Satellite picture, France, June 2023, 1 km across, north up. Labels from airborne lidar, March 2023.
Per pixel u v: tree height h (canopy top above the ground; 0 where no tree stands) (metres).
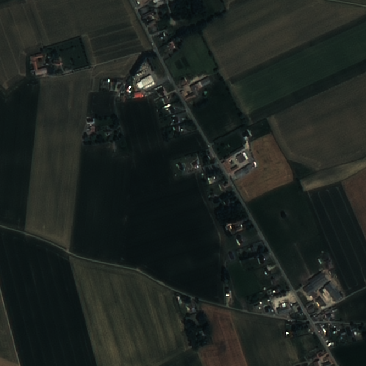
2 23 0
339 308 0
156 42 0
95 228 0
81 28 0
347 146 0
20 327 0
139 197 0
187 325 21
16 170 0
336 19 0
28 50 0
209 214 0
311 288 0
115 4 0
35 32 0
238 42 0
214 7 0
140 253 0
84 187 0
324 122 0
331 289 0
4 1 0
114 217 0
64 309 0
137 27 0
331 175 0
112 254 0
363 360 0
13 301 0
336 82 0
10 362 0
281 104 0
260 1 0
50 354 0
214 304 0
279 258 0
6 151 0
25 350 0
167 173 0
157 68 0
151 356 0
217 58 0
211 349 0
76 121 0
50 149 0
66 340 0
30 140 0
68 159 0
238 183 0
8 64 0
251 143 0
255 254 14
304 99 0
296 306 0
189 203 0
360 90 0
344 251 0
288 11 0
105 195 0
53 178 0
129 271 0
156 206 0
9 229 0
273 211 0
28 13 0
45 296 0
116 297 0
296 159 0
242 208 15
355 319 0
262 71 0
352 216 0
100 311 0
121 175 0
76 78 0
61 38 0
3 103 0
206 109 0
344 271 0
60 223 0
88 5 0
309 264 0
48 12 0
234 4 0
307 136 0
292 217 0
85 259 0
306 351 0
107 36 0
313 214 0
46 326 0
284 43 0
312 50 0
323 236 0
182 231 0
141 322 0
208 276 0
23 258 0
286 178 0
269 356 0
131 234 0
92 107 0
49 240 0
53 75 0
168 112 0
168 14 5
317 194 0
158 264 0
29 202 0
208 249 0
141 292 0
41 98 0
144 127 0
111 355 0
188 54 0
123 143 0
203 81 0
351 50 0
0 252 0
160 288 0
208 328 21
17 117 0
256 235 0
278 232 0
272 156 0
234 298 0
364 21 0
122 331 0
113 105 0
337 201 0
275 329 0
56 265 0
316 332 0
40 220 0
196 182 0
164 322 0
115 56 0
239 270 0
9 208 0
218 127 0
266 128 0
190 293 0
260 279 0
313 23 0
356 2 0
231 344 0
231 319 0
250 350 0
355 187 0
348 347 0
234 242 0
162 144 0
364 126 0
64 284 0
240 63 0
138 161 0
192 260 0
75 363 0
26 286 0
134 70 16
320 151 0
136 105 0
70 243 0
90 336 0
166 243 0
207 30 0
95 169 0
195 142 0
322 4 0
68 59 0
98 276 0
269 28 0
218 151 5
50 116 0
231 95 5
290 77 0
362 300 0
